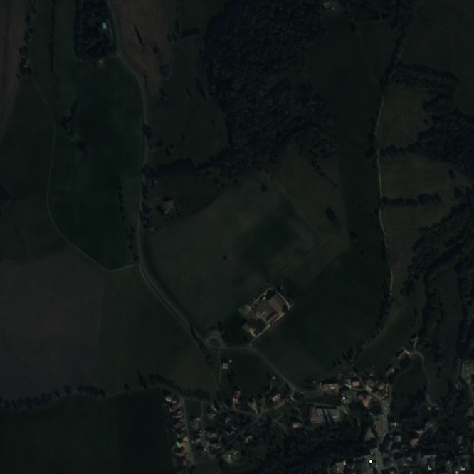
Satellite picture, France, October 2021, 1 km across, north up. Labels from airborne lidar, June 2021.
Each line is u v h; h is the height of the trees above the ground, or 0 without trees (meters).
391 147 0
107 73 0
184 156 0
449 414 10
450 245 13
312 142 20
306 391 0
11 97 0
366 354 0
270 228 0
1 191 0
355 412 21
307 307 0
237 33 25
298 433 10
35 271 0
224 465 18
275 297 0
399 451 0
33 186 0
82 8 15
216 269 0
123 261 0
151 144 20
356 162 0
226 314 0
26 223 0
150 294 0
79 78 0
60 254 0
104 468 0
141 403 0
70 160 0
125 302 0
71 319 0
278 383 5
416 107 0
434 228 10
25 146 0
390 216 0
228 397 0
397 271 0
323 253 0
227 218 0
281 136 25
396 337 0
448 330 0
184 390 0
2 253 0
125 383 0
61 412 0
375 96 0
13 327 0
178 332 0
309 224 0
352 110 0
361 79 0
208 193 0
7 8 0
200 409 0
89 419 0
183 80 0
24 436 0
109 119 0
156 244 0
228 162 20
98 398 13
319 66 0
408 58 0
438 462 8
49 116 0
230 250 0
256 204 0
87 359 0
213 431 0
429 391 0
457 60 0
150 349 0
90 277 0
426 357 0
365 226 0
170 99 0
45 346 0
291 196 0
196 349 0
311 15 28
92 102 0
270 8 26
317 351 0
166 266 0
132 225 0
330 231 0
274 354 0
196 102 0
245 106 25
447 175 0
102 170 0
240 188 0
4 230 0
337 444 27
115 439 0
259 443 16
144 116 0
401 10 21
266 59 27
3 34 0
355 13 19
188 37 9
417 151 13
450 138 12
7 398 0
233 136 25
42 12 0
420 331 0
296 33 26
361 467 0
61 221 0
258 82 18
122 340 0
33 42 0
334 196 0
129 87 0
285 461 27
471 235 18
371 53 0
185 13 0
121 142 0
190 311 0
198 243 0
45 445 0
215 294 0
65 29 0
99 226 0
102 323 0
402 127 0
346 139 0
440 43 0
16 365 0
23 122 0
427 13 0
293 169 0
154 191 0
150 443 0
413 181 0
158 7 0
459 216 18
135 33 0
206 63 15
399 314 0
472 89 0
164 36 0
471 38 0
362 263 0
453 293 0
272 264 0
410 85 15
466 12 0
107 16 16
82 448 0
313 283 0
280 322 0
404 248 0
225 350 0
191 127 0
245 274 0
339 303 0
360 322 0
